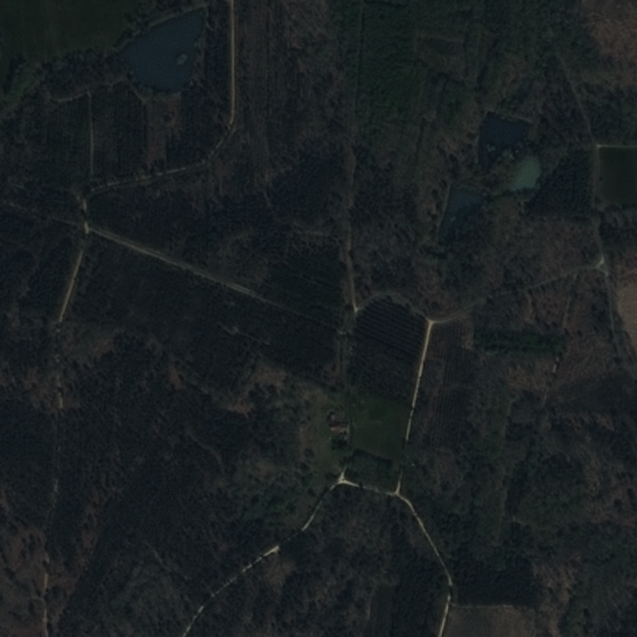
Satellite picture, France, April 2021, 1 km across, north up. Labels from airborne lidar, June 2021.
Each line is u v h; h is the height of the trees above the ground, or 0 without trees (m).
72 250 19
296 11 12
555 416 15
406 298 12
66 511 15
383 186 17
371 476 15
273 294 9
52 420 11
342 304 9
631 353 10
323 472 0
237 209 15
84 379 14
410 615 16
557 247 14
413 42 18
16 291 19
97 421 15
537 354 13
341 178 16
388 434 0
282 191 16
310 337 9
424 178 12
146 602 17
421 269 9
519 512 18
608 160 0
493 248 15
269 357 10
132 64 0
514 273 13
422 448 12
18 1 0
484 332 13
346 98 15
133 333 11
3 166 19
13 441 18
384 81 22
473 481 22
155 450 13
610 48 7
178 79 0
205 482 15
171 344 8
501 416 16
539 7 18
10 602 9
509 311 11
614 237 24
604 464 0
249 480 11
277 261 17
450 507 17
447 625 0
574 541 7
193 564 16
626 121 20
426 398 15
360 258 9
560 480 0
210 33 14
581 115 11
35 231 17
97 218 12
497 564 13
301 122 9
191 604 8
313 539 12
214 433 15
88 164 6
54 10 0
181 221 7
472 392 6
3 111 13
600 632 14
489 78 21
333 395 13
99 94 10
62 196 16
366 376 12
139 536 16
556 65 24
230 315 10
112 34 0
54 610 12
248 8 9
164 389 16
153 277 10
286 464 16
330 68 15
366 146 10
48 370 9
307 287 11
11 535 10
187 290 8
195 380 13
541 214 12
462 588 17
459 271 18
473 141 15
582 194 15
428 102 7
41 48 0
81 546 16
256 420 13
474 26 23
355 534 10
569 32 21
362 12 12
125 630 13
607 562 10
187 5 7
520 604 14
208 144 13
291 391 13
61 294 20
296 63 10
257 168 5
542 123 7
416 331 10
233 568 16
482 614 0
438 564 18
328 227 11
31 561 10
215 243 16
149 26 13
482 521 19
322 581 12
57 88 19
